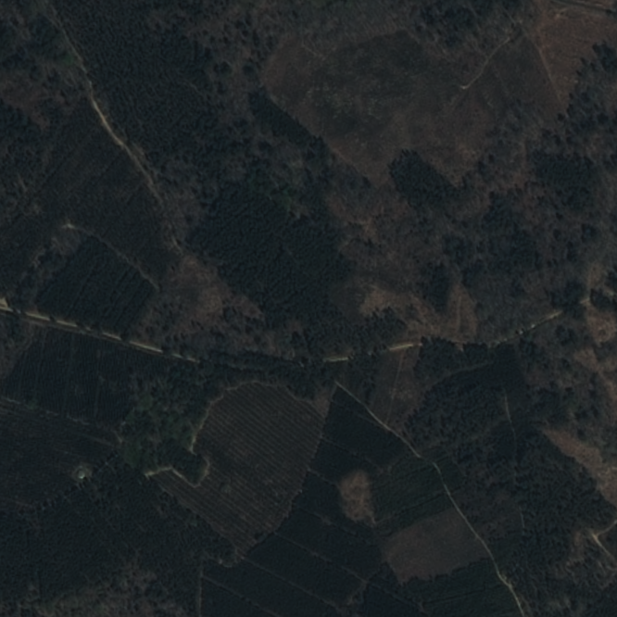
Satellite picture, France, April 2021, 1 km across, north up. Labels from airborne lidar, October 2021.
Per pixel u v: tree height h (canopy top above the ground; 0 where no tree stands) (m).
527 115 16
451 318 0
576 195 23
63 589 15
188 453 15
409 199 23
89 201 11
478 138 0
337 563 13
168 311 13
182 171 12
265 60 11
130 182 11
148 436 14
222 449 6
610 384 0
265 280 23
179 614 12
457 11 14
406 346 0
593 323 0
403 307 0
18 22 19
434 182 21
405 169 20
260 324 14
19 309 16
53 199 10
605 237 21
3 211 16
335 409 12
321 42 17
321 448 11
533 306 12
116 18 18
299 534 13
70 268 16
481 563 9
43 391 6
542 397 17
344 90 0
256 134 11
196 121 18
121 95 18
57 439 6
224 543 17
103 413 7
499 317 16
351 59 0
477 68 10
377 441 14
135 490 19
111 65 19
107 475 17
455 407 17
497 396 19
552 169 24
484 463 16
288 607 13
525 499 20
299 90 0
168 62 20
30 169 21
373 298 0
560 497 21
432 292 10
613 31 0
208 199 20
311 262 22
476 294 18
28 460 6
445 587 10
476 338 0
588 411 9
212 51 8
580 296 22
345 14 14
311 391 17
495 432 7
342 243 24
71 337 8
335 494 13
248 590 12
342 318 22
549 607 16
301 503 13
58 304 17
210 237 19
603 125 18
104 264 18
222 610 11
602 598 15
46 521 17
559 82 0
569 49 0
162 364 6
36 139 19
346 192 16
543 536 17
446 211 17
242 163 10
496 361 9
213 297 0
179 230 7
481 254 15
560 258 6
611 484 0
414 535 0
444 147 0
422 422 20
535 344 12
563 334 10
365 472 12
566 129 25
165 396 15
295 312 17
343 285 17
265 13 8
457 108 0
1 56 23
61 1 20
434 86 0
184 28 16
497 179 13
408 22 14
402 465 10
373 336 21
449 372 18
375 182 0
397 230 6
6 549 17
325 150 25
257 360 19
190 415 18
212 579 12
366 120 0
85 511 17
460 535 0
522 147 11
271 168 14
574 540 22
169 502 16
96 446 7
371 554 12
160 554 16
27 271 10
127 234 10
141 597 17
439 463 9
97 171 10
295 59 0
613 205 14
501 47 6
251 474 6
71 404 7
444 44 12
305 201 22
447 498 9
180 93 19
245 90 7
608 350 19
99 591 9
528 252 22
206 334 10
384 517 8
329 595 14
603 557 16
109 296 16
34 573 17
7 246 10
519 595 15
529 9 11
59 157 13
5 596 17
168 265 10
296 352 19
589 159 12
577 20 0
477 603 10
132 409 6
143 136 18
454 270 12
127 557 14
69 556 15
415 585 10
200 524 15
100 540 17
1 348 9
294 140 21
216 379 17
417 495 8
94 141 10
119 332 18
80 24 19
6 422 6
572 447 0
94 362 8
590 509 20
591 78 13
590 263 13
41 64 12
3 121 15
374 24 19
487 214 15
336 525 12
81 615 10
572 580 17
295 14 10
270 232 20
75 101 9
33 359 7
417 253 7
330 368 7
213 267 8
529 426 8
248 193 20
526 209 11
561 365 16
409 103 0
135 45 17
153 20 10
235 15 6
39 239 11
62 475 6
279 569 12
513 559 7
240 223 21
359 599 14
